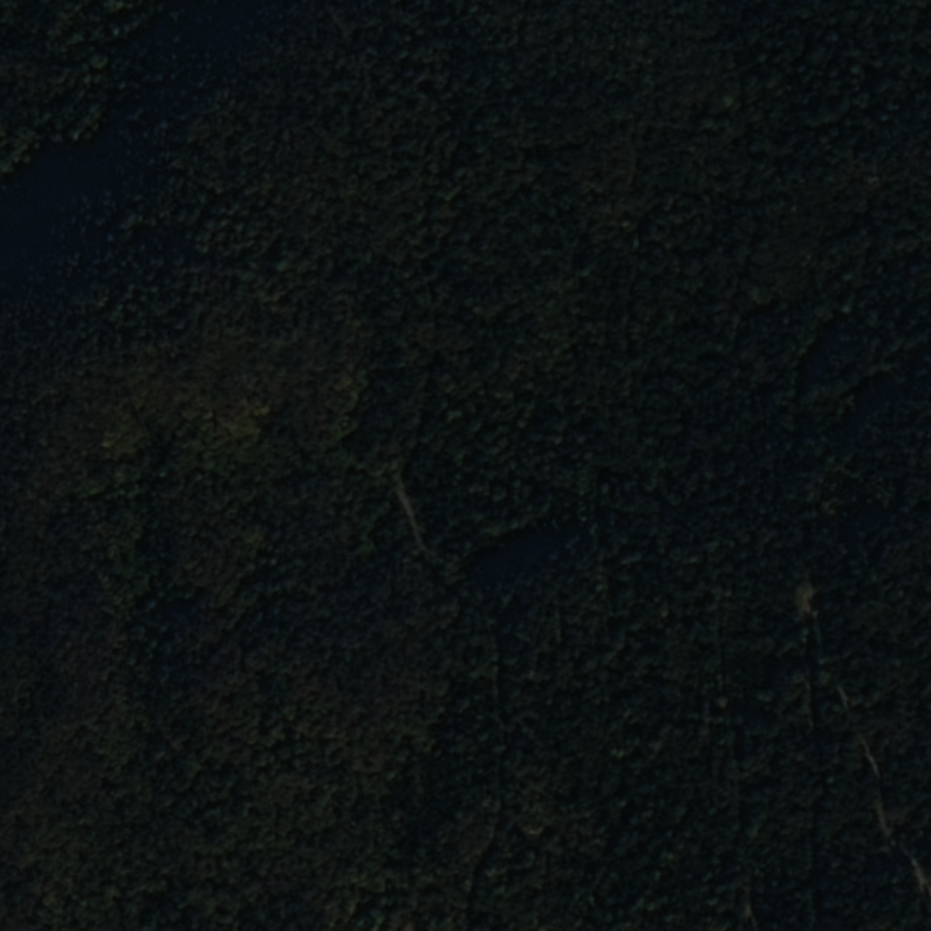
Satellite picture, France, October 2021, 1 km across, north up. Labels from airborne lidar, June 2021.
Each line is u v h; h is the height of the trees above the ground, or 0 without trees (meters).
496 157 25
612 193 26
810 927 25
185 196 18
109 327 13
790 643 26
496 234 24
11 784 13
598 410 23
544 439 34
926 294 26
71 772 13
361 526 27
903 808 23
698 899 18
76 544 23
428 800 12
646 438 24
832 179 24
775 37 28
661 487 14
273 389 19
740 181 23
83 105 16
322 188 19
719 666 10
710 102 24
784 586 28
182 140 13
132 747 24
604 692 17
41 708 15
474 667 22
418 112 21
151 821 30
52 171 9
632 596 14
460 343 21
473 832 19
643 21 20
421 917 24
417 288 11
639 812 21
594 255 24
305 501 12
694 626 24
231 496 24
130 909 26
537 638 23
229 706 24
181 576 20
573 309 21
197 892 27
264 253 14
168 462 21
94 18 26
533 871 19
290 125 11
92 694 16
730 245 17
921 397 22
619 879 19
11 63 10
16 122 16
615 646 26
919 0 23
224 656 21
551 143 25
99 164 10
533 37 23
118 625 25
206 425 26
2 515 20
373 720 20
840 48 21
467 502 23
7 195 25
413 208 25
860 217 19
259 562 25
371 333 13
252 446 26
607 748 17
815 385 29
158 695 29
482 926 25
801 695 21
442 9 30
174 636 18
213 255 18
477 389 20
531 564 26
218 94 15
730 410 22
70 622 16
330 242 20
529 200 27
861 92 20
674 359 25
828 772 23
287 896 15
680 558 24
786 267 24
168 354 18
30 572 22
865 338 23
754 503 24
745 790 9
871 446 24
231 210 17
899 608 25
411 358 20
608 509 11
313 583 19
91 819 26
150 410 22
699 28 28
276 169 18
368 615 19
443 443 21
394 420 18
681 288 20
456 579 20
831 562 28
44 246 20
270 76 8
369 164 19
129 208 21
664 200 28
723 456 24
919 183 24
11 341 19
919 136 26
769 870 12
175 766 29
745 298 26
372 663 18
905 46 27
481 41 22
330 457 30
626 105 26
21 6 13
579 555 27
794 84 22
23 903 25
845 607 25
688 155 23
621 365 19
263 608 25
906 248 25
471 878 19
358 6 23
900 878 10
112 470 24
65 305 11
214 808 21
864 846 14
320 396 19
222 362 17
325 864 20
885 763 22
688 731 14
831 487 9
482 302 23
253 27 13
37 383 15
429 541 24
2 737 18
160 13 16
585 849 21
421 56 23
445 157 22
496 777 10
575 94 29
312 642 12
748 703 12
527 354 24
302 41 14
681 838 26
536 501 31
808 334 22
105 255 18
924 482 28
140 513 23
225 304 26
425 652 24
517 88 19
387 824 26
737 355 26
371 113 21
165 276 16
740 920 12
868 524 26
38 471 22
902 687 19
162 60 16
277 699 17
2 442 16
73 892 24
